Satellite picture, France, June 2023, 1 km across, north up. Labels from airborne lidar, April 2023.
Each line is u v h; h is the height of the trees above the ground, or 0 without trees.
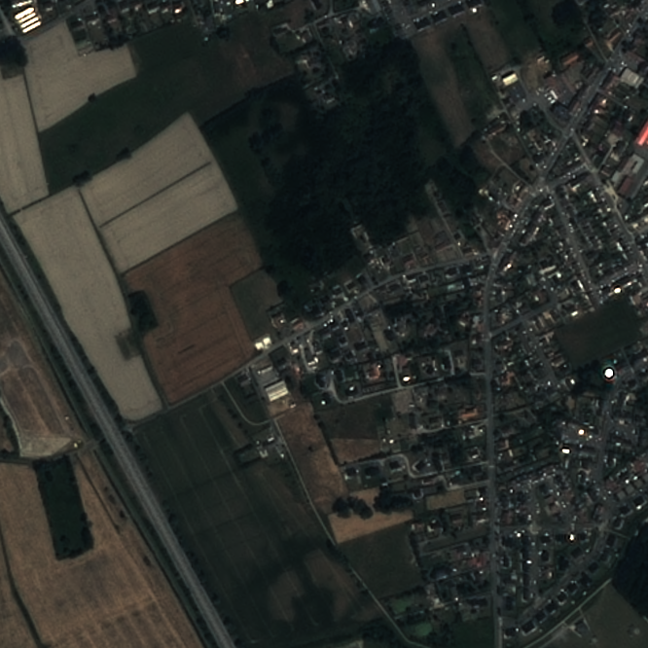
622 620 0
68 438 0
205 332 0
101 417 0
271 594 0
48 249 0
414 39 0
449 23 0
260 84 0
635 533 0
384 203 26
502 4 0
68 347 0
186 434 0
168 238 0
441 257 0
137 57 0
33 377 0
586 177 0
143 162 0
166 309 0
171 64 0
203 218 0
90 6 0
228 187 0
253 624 0
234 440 0
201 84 0
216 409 0
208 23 0
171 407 0
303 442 0
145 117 0
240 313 0
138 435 0
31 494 0
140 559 0
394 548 0
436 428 0
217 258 0
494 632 0
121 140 0
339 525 0
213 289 0
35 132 0
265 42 0
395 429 0
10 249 0
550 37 0
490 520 0
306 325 0
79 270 0
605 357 0
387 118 16
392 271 0
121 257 0
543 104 0
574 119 0
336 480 0
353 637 0
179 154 0
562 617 0
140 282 0
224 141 0
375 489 0
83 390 0
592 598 0
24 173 0
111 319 0
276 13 0
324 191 10
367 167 24
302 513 0
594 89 0
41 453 0
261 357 0
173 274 0
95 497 0
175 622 0
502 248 0
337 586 0
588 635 0
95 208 0
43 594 0
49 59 0
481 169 13
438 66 0
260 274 0
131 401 0
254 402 0
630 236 0
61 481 0
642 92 11
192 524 0
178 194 0
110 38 10
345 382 0
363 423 0
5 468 0
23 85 0
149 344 0
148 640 0
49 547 0
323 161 11
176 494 0
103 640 0
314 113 10
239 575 0
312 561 0
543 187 0
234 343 0
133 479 0
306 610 0
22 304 0
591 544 0
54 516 0
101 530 0
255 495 0
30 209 0
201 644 0
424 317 7
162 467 0
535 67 0
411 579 0
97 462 0
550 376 0
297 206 9
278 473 0
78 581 0
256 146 11
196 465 0
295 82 9
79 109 0
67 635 0
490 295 0
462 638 0
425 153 0
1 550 0
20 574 0
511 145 0
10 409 0
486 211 0
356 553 0
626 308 0
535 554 0
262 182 0
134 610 0
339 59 0
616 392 0
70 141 0
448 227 0
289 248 6
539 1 0
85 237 0
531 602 0
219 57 0
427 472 0
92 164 0
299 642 0
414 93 5
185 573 0
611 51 0
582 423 0
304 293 0
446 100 0
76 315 0
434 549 0
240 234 0
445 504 0
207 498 0
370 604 0
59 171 0
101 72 0
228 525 0
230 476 0
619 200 0
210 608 0
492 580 0
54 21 0
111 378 0
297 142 0
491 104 0
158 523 0
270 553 0
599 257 8
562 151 0
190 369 0
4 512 0
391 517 0
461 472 8
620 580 25
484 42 0
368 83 17
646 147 0
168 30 0
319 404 0
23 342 0
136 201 0
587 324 0
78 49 0
